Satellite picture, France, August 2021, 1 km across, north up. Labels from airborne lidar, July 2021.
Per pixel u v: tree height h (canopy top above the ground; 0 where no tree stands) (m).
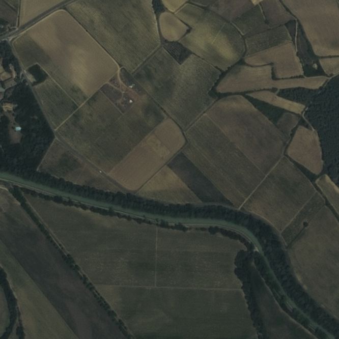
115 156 0
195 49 0
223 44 0
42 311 0
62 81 0
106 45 0
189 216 8
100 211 16
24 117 13
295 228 0
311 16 0
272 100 0
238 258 15
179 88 0
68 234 0
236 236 18
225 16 0
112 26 0
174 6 0
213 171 0
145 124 0
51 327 0
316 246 0
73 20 0
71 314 0
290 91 11
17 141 0
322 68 8
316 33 0
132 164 0
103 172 0
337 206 0
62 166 0
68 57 0
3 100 9
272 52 0
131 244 0
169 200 0
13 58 15
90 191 14
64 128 0
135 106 0
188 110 0
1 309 0
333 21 0
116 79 0
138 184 0
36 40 0
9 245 0
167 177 0
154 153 0
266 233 21
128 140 0
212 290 0
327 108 15
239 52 0
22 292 0
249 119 0
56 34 0
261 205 0
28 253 0
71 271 0
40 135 8
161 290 0
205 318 0
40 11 0
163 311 0
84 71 0
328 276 0
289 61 0
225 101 0
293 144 0
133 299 0
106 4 0
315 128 16
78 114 0
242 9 0
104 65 0
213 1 0
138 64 0
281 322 0
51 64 0
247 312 0
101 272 0
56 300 0
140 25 0
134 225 0
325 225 0
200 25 0
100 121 0
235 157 0
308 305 24
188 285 0
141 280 0
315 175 8
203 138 0
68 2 0
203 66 0
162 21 0
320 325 15
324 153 15
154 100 0
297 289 21
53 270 0
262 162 0
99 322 0
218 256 0
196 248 0
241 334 0
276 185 0
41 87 0
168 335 0
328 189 0
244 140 0
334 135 17
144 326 0
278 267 19
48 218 0
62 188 20
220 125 0
